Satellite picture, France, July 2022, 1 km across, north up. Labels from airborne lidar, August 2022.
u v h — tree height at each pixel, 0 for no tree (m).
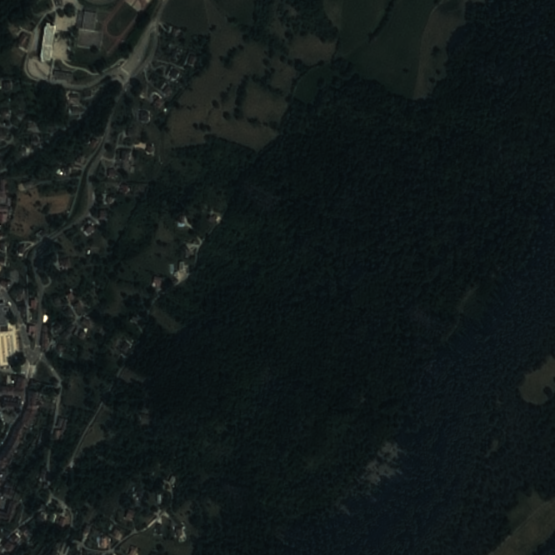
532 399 0
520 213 29
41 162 7
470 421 28
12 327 0
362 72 0
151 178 0
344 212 26
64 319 13
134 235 0
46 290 0
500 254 27
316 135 8
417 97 0
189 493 9
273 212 13
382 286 20
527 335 30
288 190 18
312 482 21
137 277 6
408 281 14
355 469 22
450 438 29
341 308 26
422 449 32
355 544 13
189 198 12
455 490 24
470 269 14
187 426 17
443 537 14
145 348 16
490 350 31
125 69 0
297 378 18
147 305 21
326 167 17
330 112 14
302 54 0
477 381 29
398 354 22
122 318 12
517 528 0
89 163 0
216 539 23
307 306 18
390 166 25
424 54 0
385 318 16
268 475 12
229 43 0
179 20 0
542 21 28
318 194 23
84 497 9
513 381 15
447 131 19
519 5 26
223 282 10
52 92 20
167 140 0
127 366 12
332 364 23
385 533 27
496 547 10
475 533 18
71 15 12
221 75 0
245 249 8
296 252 23
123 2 0
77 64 0
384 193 21
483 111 14
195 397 22
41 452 12
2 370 0
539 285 34
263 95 0
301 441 13
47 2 0
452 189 26
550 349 8
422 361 29
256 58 0
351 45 0
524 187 32
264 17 7
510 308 32
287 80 0
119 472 10
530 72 21
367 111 17
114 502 0
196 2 0
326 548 31
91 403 16
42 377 0
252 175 18
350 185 24
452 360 32
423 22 0
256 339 12
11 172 16
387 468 0
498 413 10
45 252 17
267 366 18
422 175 23
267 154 12
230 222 6
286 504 6
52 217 11
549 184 33
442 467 29
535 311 30
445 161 21
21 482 9
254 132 0
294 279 15
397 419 26
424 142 19
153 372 16
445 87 12
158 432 19
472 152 13
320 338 23
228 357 23
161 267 0
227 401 15
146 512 7
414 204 23
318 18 12
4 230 7
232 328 18
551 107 18
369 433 25
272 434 16
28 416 0
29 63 0
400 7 0
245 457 18
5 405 0
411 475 31
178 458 14
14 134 17
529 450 22
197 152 9
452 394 33
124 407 11
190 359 22
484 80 21
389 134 23
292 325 20
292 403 22
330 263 25
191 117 0
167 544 0
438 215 19
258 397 14
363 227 29
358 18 0
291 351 21
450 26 0
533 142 31
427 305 15
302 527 33
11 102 6
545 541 0
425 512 30
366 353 21
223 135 0
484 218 33
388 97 16
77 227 6
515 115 13
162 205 7
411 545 9
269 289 7
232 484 23
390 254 22
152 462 12
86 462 12
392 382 25
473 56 17
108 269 10
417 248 22
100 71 24
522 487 23
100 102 24
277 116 0
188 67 6
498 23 24
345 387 28
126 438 13
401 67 0
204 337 24
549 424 23
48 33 0
